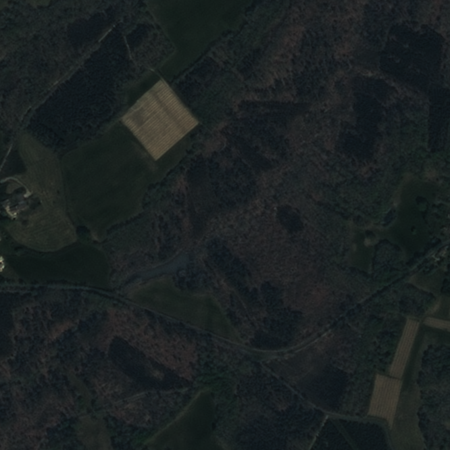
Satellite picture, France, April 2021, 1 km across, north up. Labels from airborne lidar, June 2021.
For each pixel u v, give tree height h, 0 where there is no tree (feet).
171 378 29
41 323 52
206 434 0
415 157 53
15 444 29
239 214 40
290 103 30
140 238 55
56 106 34
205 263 21
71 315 70
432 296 45
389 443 0
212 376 72
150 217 53
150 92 0
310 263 25
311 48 70
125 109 43
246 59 37
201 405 0
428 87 28
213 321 0
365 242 0
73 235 0
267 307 59
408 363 0
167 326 43
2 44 68
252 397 58
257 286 37
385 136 43
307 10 33
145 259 30
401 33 31
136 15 35
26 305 41
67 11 74
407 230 0
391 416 0
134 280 48
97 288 19
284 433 45
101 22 47
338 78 36
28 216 0
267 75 42
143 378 23
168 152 0
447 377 63
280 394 56
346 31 41
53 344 36
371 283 61
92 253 0
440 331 0
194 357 43
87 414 21
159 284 0
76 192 0
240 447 43
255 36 51
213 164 51
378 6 36
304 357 0
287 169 33
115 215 0
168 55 47
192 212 25
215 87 53
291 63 22
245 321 20
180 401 52
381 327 40
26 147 0
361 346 52
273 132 60
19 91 44
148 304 0
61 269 0
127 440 84
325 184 30
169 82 21
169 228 60
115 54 38
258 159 30
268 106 27
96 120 36
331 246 36
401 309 36
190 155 40
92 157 0
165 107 0
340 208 71
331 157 64
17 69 30
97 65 39
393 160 50
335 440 35
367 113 37
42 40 61
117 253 39
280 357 38
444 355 52
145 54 41
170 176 35
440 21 55
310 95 59
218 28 0
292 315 70
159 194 56
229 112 45
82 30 38
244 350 0
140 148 0
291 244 31
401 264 61
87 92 42
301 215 50
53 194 0
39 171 0
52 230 0
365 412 26
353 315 62
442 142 35
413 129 36
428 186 0
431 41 32
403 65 30
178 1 0
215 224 22
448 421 51
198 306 0
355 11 42
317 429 36
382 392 0
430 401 20
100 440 0
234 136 27
